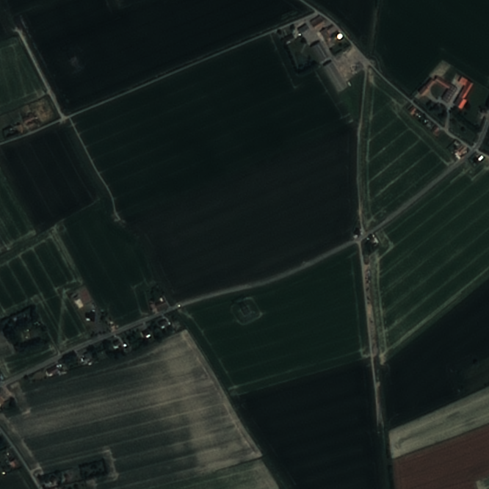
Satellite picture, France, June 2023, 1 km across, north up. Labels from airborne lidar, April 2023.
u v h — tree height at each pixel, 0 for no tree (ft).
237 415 0
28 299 0
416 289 0
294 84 0
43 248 0
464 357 0
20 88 0
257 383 0
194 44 0
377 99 0
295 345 0
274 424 0
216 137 0
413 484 0
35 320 22
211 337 0
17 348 42
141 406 0
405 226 0
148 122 0
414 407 0
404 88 0
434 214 0
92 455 0
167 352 0
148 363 0
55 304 0
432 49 0
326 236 0
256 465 0
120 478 0
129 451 0
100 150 0
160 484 0
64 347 0
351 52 0
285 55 0
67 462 0
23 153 0
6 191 0
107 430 0
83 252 0
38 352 0
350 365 0
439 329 0
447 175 0
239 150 0
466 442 0
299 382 0
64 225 0
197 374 0
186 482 0
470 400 0
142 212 0
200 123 0
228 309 0
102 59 0
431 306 0
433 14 0
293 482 0
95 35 0
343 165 0
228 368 0
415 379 0
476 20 0
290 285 0
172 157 0
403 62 0
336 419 0
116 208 0
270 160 0
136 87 0
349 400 0
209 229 0
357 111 0
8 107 0
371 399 0
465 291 0
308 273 0
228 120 0
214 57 0
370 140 0
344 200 0
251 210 0
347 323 0
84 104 0
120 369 0
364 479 0
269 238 0
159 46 0
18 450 0
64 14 0
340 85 0
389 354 0
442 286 0
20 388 0
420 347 0
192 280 0
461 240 0
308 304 0
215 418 0
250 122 0
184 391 0
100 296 0
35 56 0
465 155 0
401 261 0
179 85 0
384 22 0
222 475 0
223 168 0
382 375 0
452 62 0
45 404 0
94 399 0
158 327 31
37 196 0
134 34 0
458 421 0
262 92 0
